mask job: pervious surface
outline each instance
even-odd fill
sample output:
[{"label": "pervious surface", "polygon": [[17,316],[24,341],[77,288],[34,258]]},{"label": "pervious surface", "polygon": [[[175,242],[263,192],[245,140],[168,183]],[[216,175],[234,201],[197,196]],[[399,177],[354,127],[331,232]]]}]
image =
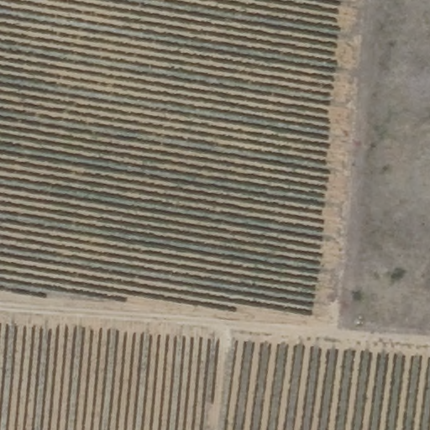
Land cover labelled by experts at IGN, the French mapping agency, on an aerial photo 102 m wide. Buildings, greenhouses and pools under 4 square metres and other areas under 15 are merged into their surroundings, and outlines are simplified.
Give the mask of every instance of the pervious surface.
[{"label": "pervious surface", "polygon": [[422,334],[366,333],[339,328],[338,302],[329,304],[324,316],[314,317],[312,314],[302,316],[294,312],[274,311],[244,304],[240,304],[237,311],[220,311],[210,307],[188,306],[178,302],[156,301],[136,296],[129,296],[126,302],[118,302],[55,291],[50,297],[34,297],[0,291],[0,324],[17,324],[18,334],[22,334],[24,328],[34,326],[40,326],[42,329],[67,326],[69,331],[74,331],[74,326],[84,326],[86,336],[89,336],[91,329],[102,329],[102,338],[106,338],[107,329],[118,329],[121,333],[128,333],[128,341],[131,341],[134,333],[151,334],[153,343],[156,343],[158,334],[218,339],[228,351],[232,348],[233,339],[237,339],[244,343],[252,341],[304,344],[326,351],[354,349],[371,351],[373,354],[427,354],[430,358],[430,338]]}]

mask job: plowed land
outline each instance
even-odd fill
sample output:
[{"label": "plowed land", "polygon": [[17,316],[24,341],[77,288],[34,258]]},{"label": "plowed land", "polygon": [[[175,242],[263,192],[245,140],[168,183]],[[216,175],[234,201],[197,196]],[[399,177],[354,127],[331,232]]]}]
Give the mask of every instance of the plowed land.
[{"label": "plowed land", "polygon": [[430,0],[341,0],[338,12],[338,44],[334,52],[338,69],[334,72],[334,86],[329,94],[329,149],[326,160],[329,180],[322,208],[322,257],[312,314],[314,317],[324,316],[329,304],[338,302],[339,328],[366,333],[422,334],[430,338]]}]

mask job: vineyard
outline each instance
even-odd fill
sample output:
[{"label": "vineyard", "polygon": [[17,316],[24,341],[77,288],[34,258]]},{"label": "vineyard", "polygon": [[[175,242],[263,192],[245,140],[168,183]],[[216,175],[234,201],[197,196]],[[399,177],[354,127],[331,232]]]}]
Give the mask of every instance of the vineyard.
[{"label": "vineyard", "polygon": [[74,331],[69,331],[67,326],[42,329],[40,326],[34,326],[24,328],[22,334],[18,334],[17,324],[0,324],[0,430],[430,430],[430,358],[427,354],[373,354],[371,351],[354,349],[326,351],[304,344],[252,341],[244,343],[237,339],[233,339],[232,348],[228,351],[218,339],[158,334],[156,343],[153,343],[151,334],[134,333],[131,341],[128,341],[128,333],[121,333],[118,329],[107,329],[106,338],[102,338],[102,329],[91,329],[89,336],[86,336],[84,326],[74,326]]},{"label": "vineyard", "polygon": [[244,304],[274,311],[294,312],[302,316],[312,314],[322,257],[322,208],[329,180],[326,160],[329,149],[329,94],[334,86],[334,72],[338,69],[334,52],[338,44],[338,12],[341,0],[0,0],[0,291],[34,297],[50,297],[55,291],[118,302],[126,302],[129,296],[136,296],[156,301],[178,302],[188,306],[210,307],[220,311],[237,311],[240,304]]}]

